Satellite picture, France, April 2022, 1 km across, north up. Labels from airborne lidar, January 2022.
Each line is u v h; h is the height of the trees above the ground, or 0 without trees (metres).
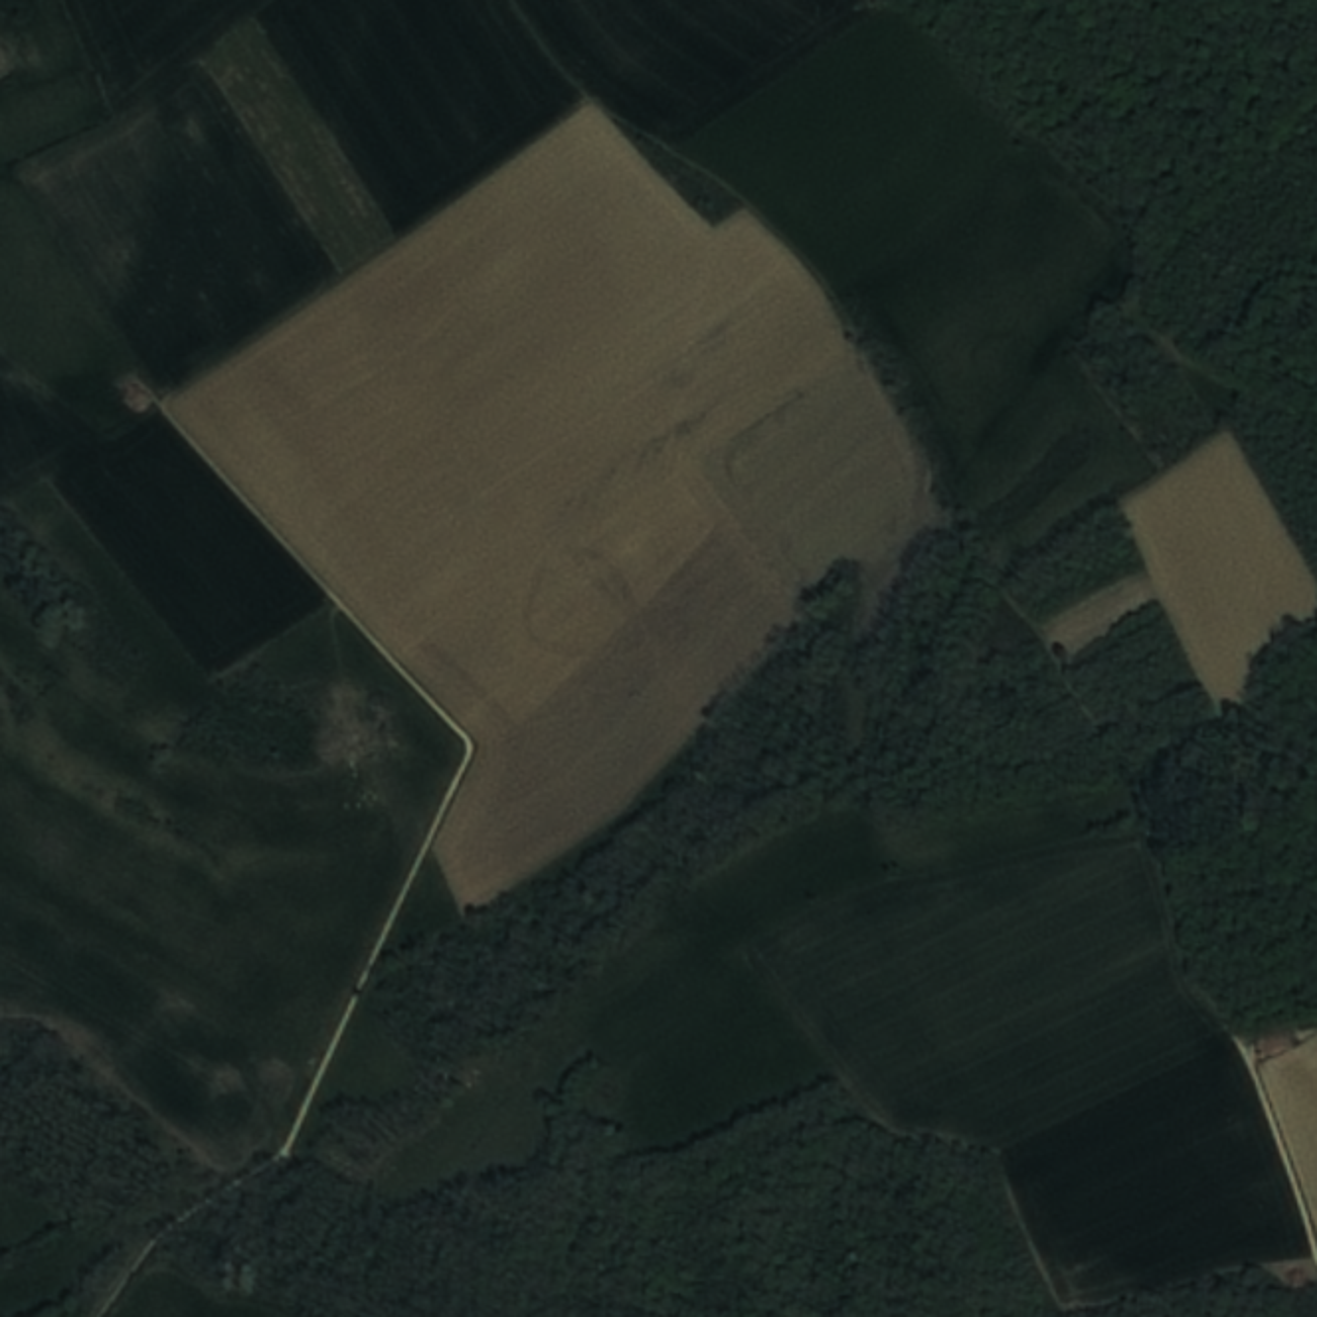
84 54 0
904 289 0
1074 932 0
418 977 8
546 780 0
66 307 0
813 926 0
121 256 0
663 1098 0
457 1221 17
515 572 0
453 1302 17
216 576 0
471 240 0
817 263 0
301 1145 0
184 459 0
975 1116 0
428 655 0
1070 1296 0
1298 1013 15
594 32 0
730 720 19
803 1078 0
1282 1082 0
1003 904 0
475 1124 0
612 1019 0
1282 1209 0
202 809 0
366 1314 24
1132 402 18
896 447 0
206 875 0
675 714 0
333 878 0
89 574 0
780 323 0
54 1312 11
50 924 0
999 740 15
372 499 0
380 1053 0
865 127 0
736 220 0
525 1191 14
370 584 0
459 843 0
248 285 0
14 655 0
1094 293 0
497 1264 23
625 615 0
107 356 0
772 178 0
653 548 0
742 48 0
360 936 0
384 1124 23
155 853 0
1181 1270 0
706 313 0
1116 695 14
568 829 0
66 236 0
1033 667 9
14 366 0
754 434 0
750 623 0
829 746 14
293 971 0
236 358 0
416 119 0
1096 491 0
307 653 0
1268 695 20
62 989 0
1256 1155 0
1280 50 22
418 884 0
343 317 0
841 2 0
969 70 13
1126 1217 0
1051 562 16
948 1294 20
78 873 0
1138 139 18
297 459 0
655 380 0
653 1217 16
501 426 0
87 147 0
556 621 0
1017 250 0
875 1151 17
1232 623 0
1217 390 0
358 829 0
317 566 0
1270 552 0
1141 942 0
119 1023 0
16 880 0
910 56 0
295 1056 0
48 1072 16
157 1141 0
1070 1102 0
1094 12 19
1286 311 21
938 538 16
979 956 0
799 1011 0
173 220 0
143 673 8
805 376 0
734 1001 0
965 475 0
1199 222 13
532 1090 0
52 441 0
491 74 0
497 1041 18
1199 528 0
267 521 0
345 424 0
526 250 0
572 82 0
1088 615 0
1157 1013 0
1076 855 0
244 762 13
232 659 0
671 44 0
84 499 0
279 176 0
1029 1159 0
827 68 0
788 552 0
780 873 0
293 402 0
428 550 0
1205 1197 0
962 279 0
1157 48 19
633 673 0
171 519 0
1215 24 19
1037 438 0
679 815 18
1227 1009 16
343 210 0
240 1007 0
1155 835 11
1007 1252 8
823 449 0
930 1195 17
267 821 0
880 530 0
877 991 0
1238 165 20
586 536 0
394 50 0
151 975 0
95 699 0
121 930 0
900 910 0
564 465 0
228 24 0
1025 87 18
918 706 17
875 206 0
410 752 0
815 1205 17
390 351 0
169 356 0
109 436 0
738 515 0
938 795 17
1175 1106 0
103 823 0
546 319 0
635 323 0
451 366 0
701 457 0
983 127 0
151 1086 0
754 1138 13
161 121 0
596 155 0
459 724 0
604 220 0
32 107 0
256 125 0
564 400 0
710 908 0
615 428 0
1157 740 19
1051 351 0
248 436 0
